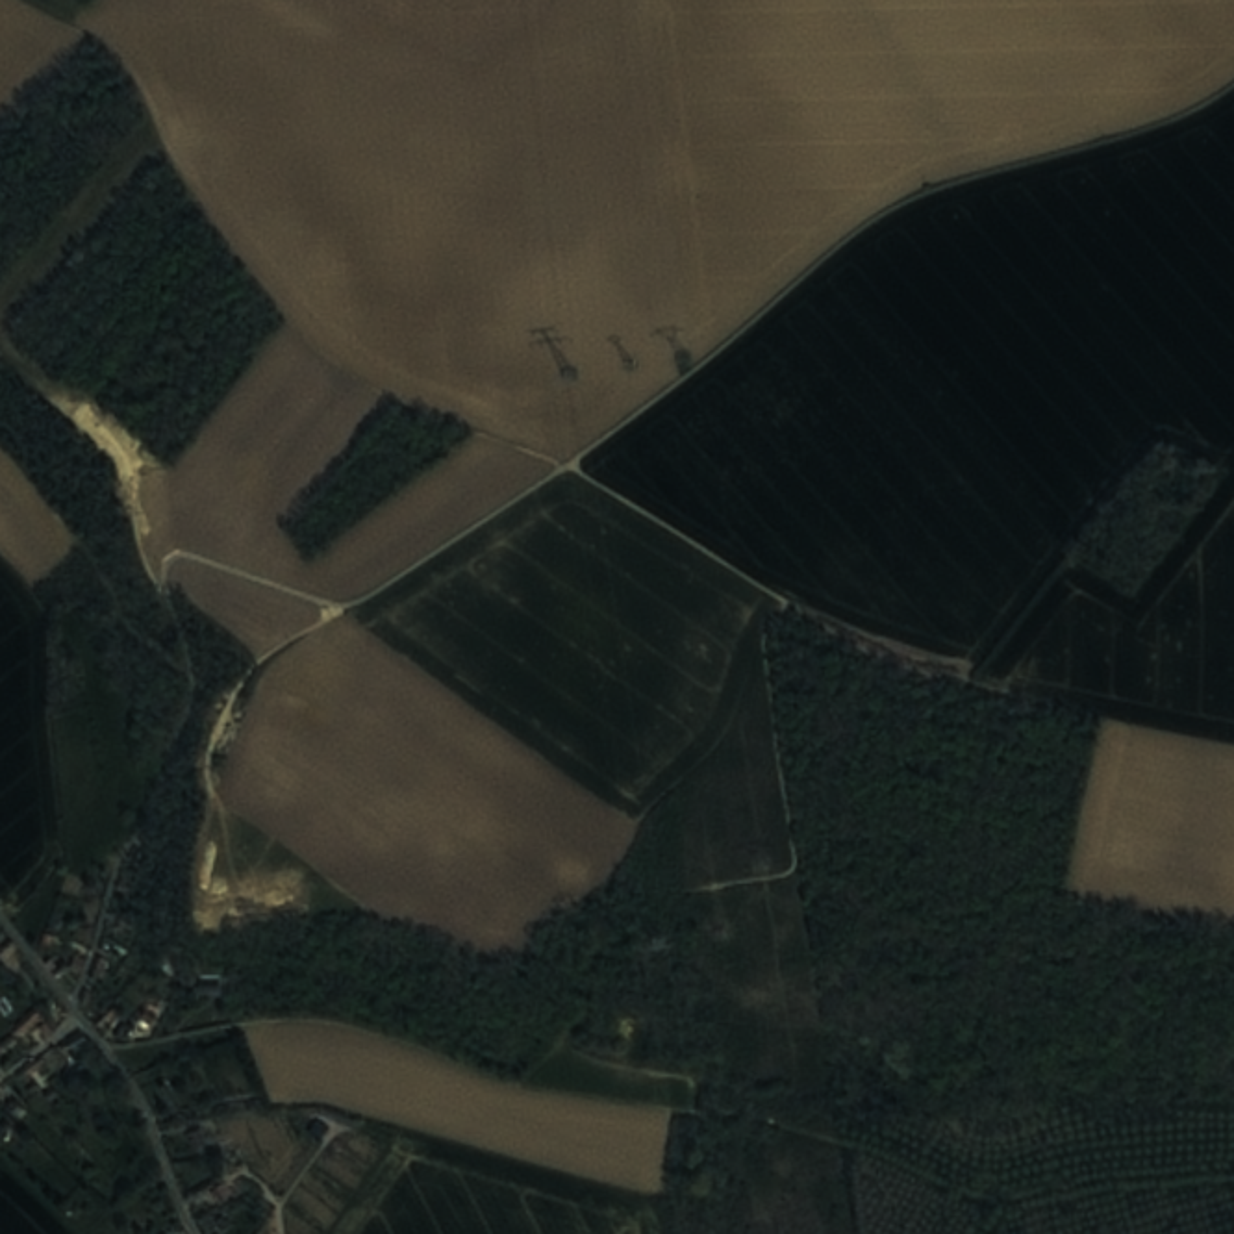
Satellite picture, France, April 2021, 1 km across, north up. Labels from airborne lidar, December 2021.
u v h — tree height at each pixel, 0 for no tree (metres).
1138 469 20
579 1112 0
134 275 16
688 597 0
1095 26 0
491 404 0
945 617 0
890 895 17
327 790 0
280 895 0
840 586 0
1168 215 0
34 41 0
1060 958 15
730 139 0
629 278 0
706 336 0
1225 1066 10
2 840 0
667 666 0
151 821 16
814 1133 0
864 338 0
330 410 0
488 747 0
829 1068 11
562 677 0
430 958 16
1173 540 20
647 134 0
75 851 0
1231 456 0
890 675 18
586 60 0
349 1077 0
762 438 0
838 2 0
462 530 0
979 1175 24
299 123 0
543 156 0
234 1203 12
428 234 0
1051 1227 27
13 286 0
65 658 18
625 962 16
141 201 17
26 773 0
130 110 18
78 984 0
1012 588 0
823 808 18
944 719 11
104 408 15
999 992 17
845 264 0
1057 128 0
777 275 0
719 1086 6
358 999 21
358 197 0
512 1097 0
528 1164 0
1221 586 0
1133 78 0
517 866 0
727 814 0
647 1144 0
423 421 16
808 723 17
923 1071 17
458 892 0
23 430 10
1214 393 0
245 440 0
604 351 0
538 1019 18
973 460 0
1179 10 0
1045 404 0
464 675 0
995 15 0
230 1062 0
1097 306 0
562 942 11
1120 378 0
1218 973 10
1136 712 0
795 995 0
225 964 13
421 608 0
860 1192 29
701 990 14
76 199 16
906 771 20
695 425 0
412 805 0
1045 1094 18
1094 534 17
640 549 0
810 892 14
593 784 0
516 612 0
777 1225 0
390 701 0
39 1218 0
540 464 0
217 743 0
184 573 0
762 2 0
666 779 0
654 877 8
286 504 0
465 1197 0
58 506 15
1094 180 0
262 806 0
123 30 0
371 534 0
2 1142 0
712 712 0
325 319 0
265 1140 0
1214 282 0
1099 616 0
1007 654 0
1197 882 0
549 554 0
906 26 0
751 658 0
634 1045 0
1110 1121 16
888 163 0
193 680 16
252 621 0
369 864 0
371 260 0
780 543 0
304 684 0
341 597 0
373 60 0
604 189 0
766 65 0
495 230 0
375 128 0
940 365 0
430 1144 0
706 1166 19
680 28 0
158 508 0
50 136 24
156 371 19
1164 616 0
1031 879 18
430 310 0
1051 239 0
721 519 0
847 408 0
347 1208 0
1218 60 0
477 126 0
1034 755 20
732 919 0
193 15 0
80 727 0
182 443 10
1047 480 0
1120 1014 20
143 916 12
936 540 0
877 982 21
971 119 0
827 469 0
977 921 16
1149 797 0
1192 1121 24
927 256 0
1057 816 17
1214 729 0
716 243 0
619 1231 0
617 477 0
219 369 13
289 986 21
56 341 20
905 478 0
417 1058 0
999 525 0
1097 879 0
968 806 22
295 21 0
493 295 0
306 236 0
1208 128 0
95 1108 23
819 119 0
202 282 12
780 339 0
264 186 0
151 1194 8
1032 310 0
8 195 21
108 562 10
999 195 0
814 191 0
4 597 0
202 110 0
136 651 20
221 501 0
